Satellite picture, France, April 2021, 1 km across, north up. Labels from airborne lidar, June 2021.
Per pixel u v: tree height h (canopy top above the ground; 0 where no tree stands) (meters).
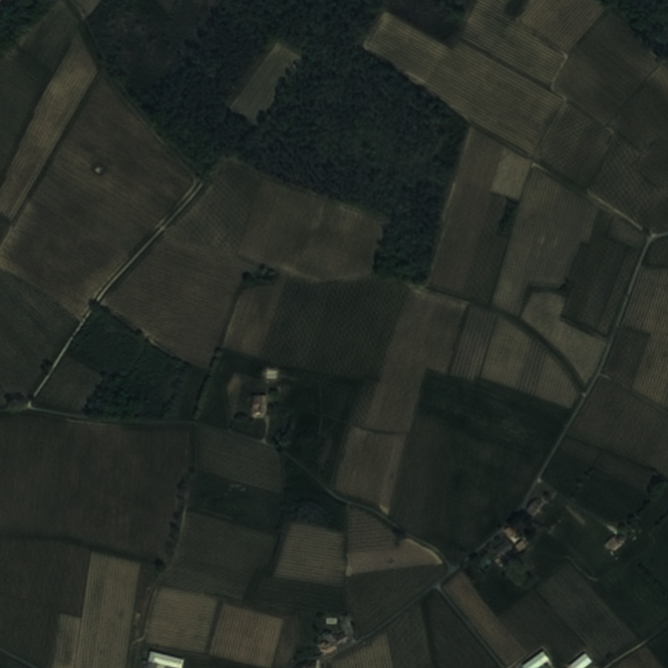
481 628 0
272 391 9
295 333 0
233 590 0
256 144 11
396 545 0
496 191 0
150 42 9
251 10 27
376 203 15
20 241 0
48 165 0
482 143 0
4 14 19
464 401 0
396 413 0
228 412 0
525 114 0
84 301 0
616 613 0
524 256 0
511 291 0
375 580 0
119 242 0
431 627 0
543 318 0
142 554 0
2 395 0
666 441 0
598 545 0
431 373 0
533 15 0
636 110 0
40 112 0
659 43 11
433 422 0
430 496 0
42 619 0
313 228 0
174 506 0
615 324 0
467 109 0
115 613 0
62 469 0
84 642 0
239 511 0
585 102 0
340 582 0
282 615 0
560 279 0
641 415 0
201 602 0
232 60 20
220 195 0
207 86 24
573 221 0
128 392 10
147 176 0
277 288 0
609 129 0
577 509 0
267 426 0
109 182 0
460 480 0
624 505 0
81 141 0
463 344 0
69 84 0
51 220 0
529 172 0
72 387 0
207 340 0
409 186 10
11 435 0
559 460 0
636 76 0
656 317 0
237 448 0
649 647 0
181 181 0
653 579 8
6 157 0
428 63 0
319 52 21
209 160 16
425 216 19
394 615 0
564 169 0
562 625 0
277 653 0
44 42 0
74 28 0
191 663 0
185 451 0
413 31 0
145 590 0
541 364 0
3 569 0
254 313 0
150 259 0
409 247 19
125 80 14
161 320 0
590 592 0
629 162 0
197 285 0
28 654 0
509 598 0
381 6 19
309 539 0
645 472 0
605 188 0
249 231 0
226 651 0
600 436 0
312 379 0
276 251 0
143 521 0
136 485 0
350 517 0
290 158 20
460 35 0
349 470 0
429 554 0
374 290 0
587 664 0
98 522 0
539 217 0
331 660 0
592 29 0
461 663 0
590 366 0
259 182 0
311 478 0
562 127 0
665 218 0
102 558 0
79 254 0
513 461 0
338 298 0
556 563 0
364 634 0
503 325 0
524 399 0
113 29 10
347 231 0
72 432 0
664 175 0
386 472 0
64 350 0
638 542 0
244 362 0
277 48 0
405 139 25
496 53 0
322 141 17
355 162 19
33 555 0
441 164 16
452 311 0
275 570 0
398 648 0
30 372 0
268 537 0
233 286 0
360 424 0
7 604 0
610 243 0
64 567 0
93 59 0
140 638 0
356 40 15
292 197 0
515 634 0
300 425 0
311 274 0
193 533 0
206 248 0
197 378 0
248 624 0
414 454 0
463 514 0
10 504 0
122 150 0
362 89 21
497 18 0
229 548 0
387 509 0
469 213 0
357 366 0
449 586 0
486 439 0
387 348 0
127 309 0
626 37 0
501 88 0
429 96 9
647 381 0
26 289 0
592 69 0
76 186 0
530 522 10
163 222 0
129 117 0
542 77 0
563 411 0
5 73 0
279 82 0
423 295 0
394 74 19
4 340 0
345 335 0
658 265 0
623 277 0
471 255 0
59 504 0
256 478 0
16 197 0
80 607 0
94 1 0
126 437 0
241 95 0
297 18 22
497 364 0
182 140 18
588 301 0
